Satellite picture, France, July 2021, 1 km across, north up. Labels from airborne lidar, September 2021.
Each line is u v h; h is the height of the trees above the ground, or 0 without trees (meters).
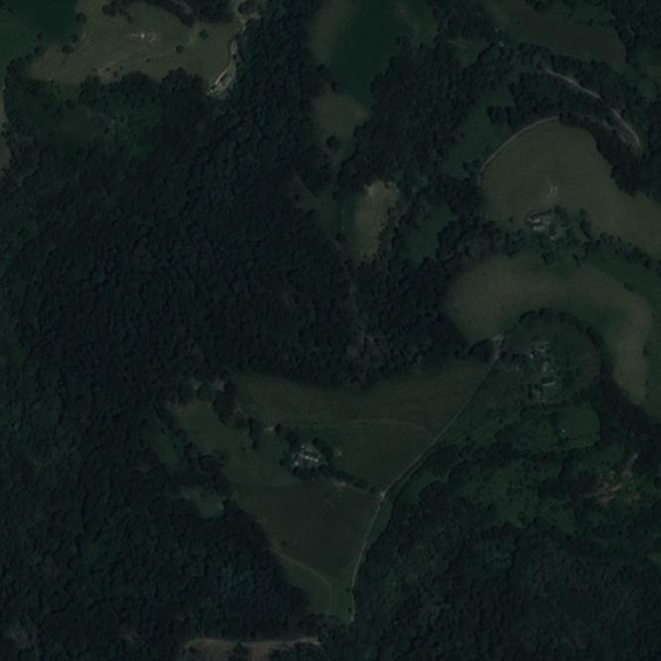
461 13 22
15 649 35
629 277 0
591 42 0
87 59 0
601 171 0
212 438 0
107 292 32
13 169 8
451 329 24
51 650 32
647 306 0
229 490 21
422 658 25
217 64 0
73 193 14
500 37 20
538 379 0
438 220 0
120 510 16
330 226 0
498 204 0
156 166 8
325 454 14
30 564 30
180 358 23
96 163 22
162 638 25
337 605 0
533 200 0
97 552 24
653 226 0
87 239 19
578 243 12
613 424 17
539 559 23
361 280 19
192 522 23
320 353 7
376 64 0
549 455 12
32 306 15
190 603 28
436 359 23
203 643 0
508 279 0
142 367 24
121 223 21
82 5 0
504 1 0
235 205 19
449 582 20
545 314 18
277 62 27
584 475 13
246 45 31
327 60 0
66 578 7
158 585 23
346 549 0
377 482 0
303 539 0
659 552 10
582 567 7
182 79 20
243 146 24
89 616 31
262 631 32
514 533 19
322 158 10
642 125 11
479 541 15
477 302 0
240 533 32
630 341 0
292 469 7
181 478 9
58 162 24
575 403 6
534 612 13
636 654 7
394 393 0
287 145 24
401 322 28
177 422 17
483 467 20
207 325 15
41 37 12
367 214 0
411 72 23
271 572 30
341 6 0
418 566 16
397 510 13
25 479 17
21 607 30
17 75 11
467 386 0
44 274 13
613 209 0
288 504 0
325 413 0
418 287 32
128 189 20
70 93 0
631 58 8
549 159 0
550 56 8
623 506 9
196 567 26
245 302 29
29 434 21
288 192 16
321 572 0
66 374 13
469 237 18
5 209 19
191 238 9
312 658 0
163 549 27
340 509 0
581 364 0
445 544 23
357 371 21
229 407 22
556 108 22
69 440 26
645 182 17
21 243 6
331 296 25
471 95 24
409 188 18
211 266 25
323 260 25
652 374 0
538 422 7
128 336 12
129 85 20
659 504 16
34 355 20
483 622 16
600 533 19
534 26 0
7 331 23
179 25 0
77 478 29
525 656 36
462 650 16
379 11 0
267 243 28
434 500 19
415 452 0
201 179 22
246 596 21
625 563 6
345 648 17
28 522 23
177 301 28
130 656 24
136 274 26
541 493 11
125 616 36
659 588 23
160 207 15
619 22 14
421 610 27
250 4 15
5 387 16
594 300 0
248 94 21
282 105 25
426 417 0
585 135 0
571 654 26
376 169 16
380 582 25
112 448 20
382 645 23
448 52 17
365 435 0
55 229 29
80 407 27
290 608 22
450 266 18
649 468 20
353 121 0
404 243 19
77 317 23
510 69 13
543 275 0
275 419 0
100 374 37
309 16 21
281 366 22
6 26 0
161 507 33
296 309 24
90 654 34
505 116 25
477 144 0
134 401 24
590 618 16
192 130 12
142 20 0
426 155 28
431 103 17
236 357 19
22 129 19
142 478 12
